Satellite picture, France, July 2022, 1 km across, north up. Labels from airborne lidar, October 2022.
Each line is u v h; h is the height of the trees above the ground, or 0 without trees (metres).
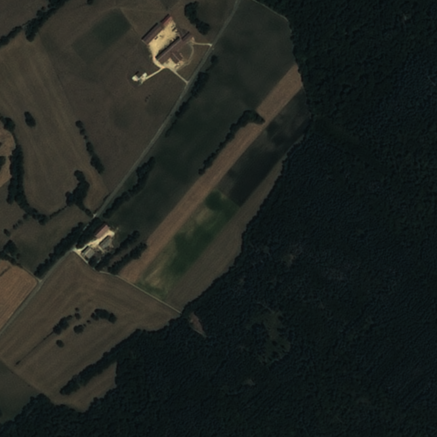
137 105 0
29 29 7
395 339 13
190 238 0
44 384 0
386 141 13
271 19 0
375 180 17
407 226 13
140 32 0
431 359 23
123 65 0
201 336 21
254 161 0
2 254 15
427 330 19
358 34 18
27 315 0
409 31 16
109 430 18
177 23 0
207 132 0
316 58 21
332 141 7
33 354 0
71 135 0
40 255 0
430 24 16
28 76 0
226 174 0
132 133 0
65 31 0
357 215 18
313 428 26
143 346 19
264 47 0
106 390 0
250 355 18
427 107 25
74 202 23
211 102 0
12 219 0
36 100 0
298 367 17
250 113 15
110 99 0
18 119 0
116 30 0
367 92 19
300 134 0
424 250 22
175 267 0
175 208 0
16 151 9
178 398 17
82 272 0
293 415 29
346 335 20
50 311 0
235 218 0
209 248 0
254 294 28
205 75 14
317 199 18
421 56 24
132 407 24
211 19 0
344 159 17
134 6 0
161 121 0
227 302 20
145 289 0
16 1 0
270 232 13
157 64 0
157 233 0
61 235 0
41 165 0
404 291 16
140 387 20
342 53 17
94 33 0
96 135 0
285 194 16
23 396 0
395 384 21
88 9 0
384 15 24
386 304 20
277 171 0
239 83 0
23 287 0
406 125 19
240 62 0
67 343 0
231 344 23
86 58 0
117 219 0
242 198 0
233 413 21
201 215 0
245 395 20
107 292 0
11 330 0
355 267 16
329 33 21
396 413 15
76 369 0
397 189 14
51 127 0
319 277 15
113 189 0
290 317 18
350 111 15
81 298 0
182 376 19
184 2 0
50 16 12
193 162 0
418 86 28
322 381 17
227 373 22
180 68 0
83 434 21
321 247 16
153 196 0
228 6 0
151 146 0
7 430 27
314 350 16
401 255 19
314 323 13
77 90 0
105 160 0
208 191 0
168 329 14
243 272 19
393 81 17
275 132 0
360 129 16
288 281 24
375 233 18
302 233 13
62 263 0
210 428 23
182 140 0
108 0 0
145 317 0
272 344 0
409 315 20
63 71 0
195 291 0
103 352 0
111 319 15
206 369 17
